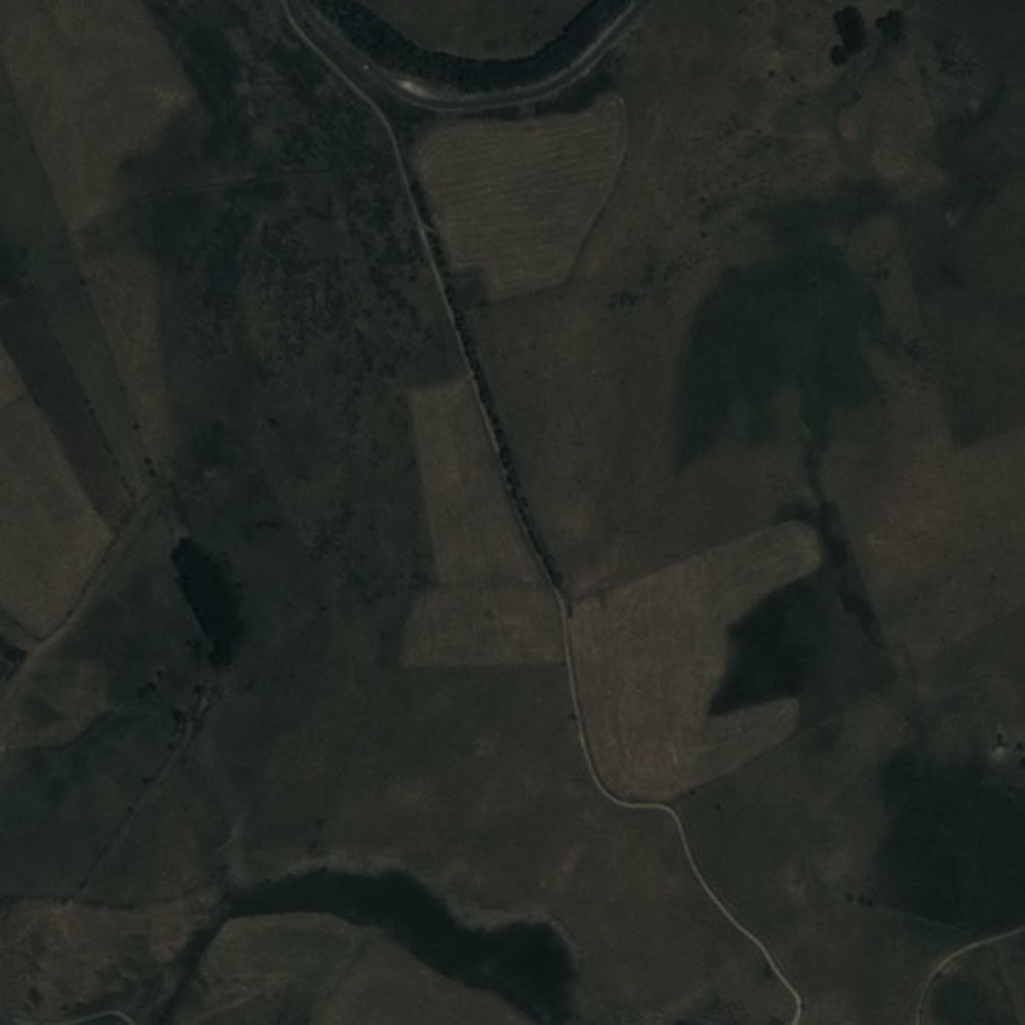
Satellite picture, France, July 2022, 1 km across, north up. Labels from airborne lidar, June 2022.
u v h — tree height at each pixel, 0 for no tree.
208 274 0
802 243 0
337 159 0
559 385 0
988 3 0
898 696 0
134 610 0
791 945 0
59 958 0
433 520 0
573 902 0
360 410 0
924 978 0
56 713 0
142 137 0
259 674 0
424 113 0
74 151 0
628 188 0
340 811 0
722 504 0
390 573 0
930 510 0
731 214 0
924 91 0
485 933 0
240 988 0
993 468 0
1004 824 0
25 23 0
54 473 0
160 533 0
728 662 0
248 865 0
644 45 0
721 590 0
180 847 0
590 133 0
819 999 0
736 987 0
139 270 0
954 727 0
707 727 0
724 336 0
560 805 0
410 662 0
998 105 0
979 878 0
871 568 0
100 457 0
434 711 0
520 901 0
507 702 0
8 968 0
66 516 0
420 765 0
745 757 0
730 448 0
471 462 0
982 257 0
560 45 14
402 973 0
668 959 0
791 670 0
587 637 0
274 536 0
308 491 0
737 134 0
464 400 0
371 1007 0
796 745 0
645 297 0
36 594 0
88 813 0
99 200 0
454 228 0
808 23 0
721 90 0
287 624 0
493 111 0
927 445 0
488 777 0
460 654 0
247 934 0
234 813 0
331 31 0
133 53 0
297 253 0
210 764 0
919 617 0
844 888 0
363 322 0
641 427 0
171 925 0
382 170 0
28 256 0
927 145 0
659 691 0
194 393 0
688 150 0
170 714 0
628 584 0
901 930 0
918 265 0
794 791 0
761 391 0
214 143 0
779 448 0
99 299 0
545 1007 0
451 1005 0
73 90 0
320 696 0
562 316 0
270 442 0
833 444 0
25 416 0
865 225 0
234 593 11
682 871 0
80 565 0
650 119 0
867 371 0
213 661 9
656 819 0
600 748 0
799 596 0
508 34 0
